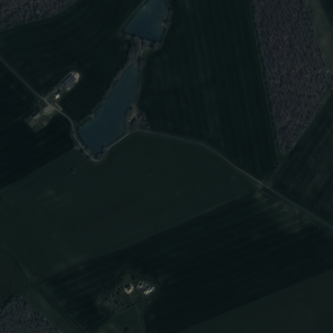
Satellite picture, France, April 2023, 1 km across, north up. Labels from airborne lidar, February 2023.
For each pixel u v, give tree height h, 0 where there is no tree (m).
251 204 0
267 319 0
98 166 0
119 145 0
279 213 0
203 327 0
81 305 0
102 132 0
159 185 0
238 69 0
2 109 0
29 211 0
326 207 0
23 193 0
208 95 0
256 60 0
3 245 0
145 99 0
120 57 0
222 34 0
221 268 0
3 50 0
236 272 0
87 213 0
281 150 11
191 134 0
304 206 0
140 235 0
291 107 21
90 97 0
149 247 0
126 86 0
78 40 0
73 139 0
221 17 0
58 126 0
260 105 0
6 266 0
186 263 0
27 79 0
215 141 0
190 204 0
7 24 8
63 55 0
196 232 0
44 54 0
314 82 22
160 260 0
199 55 0
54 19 0
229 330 0
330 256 0
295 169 0
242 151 0
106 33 0
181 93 0
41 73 0
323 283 0
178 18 0
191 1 0
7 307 20
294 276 0
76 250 0
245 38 0
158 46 22
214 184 0
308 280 0
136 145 0
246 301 0
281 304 0
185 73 0
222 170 0
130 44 0
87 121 0
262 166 0
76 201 0
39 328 21
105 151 13
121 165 0
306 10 18
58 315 0
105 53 0
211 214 0
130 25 0
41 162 0
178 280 0
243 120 0
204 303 0
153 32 0
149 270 0
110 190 0
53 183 0
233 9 0
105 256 0
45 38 0
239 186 0
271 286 0
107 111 0
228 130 0
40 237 0
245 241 0
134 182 0
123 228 0
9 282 0
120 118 0
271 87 21
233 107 0
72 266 0
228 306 0
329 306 0
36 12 18
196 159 0
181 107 0
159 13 0
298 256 0
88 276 0
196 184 0
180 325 0
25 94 0
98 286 0
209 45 0
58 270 0
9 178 0
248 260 0
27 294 0
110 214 0
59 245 0
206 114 0
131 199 0
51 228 0
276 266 0
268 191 0
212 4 0
